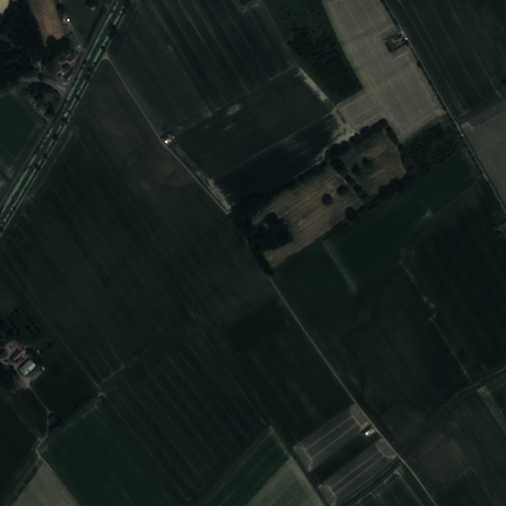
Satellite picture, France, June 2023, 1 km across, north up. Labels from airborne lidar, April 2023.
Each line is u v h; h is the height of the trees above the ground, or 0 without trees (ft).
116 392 0
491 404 0
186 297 0
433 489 0
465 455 0
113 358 0
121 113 0
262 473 0
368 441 0
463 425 0
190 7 0
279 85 0
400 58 0
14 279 0
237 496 0
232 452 0
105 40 0
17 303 0
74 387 0
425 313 0
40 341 0
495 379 0
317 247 0
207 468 0
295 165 0
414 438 0
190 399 0
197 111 0
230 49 0
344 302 0
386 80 0
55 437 0
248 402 0
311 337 0
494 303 0
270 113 0
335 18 0
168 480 0
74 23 0
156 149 0
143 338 0
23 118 0
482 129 0
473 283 0
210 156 0
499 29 0
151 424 0
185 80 0
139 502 0
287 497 0
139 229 0
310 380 0
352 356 0
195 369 0
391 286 0
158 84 0
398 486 0
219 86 0
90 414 0
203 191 0
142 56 0
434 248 0
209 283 0
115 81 0
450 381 0
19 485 0
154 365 0
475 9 0
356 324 0
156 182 0
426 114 0
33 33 76
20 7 60
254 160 0
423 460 0
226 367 0
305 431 0
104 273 0
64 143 0
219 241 0
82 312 0
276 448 0
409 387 0
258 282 0
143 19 0
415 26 0
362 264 0
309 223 0
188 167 0
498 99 0
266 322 0
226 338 0
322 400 0
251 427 0
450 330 0
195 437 0
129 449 0
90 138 0
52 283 0
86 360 0
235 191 0
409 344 0
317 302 0
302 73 0
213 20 0
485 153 0
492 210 0
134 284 0
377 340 0
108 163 0
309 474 0
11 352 0
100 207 0
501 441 0
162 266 0
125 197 0
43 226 0
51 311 0
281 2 0
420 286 0
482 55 0
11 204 0
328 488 0
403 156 35
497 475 0
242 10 0
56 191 0
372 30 0
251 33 0
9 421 0
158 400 0
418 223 0
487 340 0
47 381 0
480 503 0
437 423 0
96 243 0
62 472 0
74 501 0
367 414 0
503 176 0
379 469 0
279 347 0
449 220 0
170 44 0
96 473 0
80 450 0
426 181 0
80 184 0
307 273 0
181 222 0
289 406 0
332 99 0
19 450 0
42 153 0
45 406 0
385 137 0
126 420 0
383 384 0
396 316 0
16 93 0
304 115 0
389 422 0
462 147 0
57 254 0
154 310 0
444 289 0
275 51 0
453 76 0
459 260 0
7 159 0
